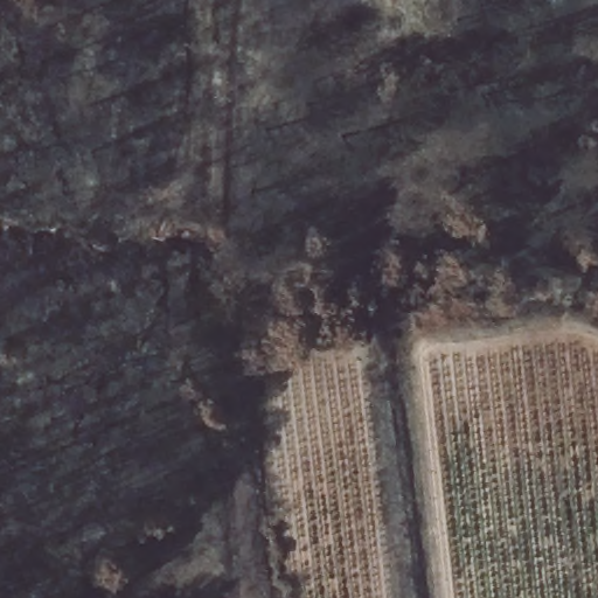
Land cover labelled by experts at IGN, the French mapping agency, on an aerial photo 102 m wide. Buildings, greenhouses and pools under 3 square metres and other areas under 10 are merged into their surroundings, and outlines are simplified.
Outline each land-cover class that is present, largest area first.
<instances>
[{"label":"bare soil","instance_id":"1","mask_svg":"<svg viewBox=\"0 0 598 598\"><path fill-rule=\"evenodd\" d=\"M49 23L44 28L35 26L33 19H26L21 14V7H7L5 12H0V598H301V586L308 582V575L287 570V558L294 551V540L287 537V523L276 512L283 498H278L273 491L269 470V453L280 444V434L271 432L266 425V409L271 406V399L287 388V378L292 374L271 371L266 376H250L245 371L243 357L231 360L227 355L224 334L220 327L217 292L224 287L243 285L250 278L257 280V273L271 257H280L287 245L301 248L306 243L308 229H318L325 224L336 245L339 259L353 264L357 255L374 250L376 243L385 238H409L411 243H418L423 236H427L434 229L430 215L437 208L439 189L446 187L470 189L477 203H486L493 210L498 229L507 234L512 241L514 257L537 252L549 238L558 236L565 224H570L582 213H591L598 217V0H49L44 9ZM362 343L367 346L364 381L369 385L367 404L376 449V481L390 598H432L430 554L434 551V544L425 540L427 463L420 451L425 430L420 406L413 397L416 364L411 353L416 343L409 339V320H383L369 329Z\"/></svg>","mask_w":598,"mask_h":598},{"label":"vineyard","instance_id":"2","mask_svg":"<svg viewBox=\"0 0 598 598\"><path fill-rule=\"evenodd\" d=\"M456 598H598V350H586L582 339H577L551 341L547 346L537 343L528 348L507 346L500 353H484L477 357L453 353V364L449 367L446 353L430 355ZM367 346L362 343H355L350 350H313L311 355H297L287 360L273 357L271 371L292 374L287 378V388L271 399V406L266 409V425L271 432L280 434V444L269 453V470L273 491L278 498H283L276 512L287 523V537L294 540V551L287 558V570L308 575V582L301 586V598H390L376 481V449L367 404L369 385L364 381Z\"/></svg>","mask_w":598,"mask_h":598},{"label":"coniferous trees","instance_id":"3","mask_svg":"<svg viewBox=\"0 0 598 598\"><path fill-rule=\"evenodd\" d=\"M49 0H0V12H5L7 7H21V14L26 19H33L35 26L44 28L49 23L44 9ZM434 229L427 236H423L418 243H411L409 238H385L376 243L374 250L357 255L353 264L339 259L336 245L325 224L318 229H308L306 243L301 248L287 245L280 257H271L257 273V280L250 278L243 285L224 287L217 292L220 327L224 334L227 355L231 360L243 357L245 371L250 376H266L271 371L273 357L287 360L297 355H311L313 350H350L355 343H362L369 329L383 320H409V339L416 343L423 339L449 341V334L453 329L463 327L500 329L519 315L521 320L575 318L598 329V217L591 213H582L570 224H565L558 236L549 238L537 252L514 257L512 241L507 234L498 229L493 210L486 203H477L470 189L446 187L439 189L437 208L430 215Z\"/></svg>","mask_w":598,"mask_h":598},{"label":"pervious surface","instance_id":"4","mask_svg":"<svg viewBox=\"0 0 598 598\"><path fill-rule=\"evenodd\" d=\"M577 339H582L586 350H598V329L575 318L521 320L519 315L500 329L463 327L453 329L449 334V341L423 339L416 343L411 353L416 364L413 397L420 406L425 430L420 451L427 463L425 540L434 544V551L430 554L432 598H456L430 355L446 353L449 367L453 364V353L477 357L484 353H500L507 346L528 348L537 343L547 346L551 341Z\"/></svg>","mask_w":598,"mask_h":598}]
</instances>
